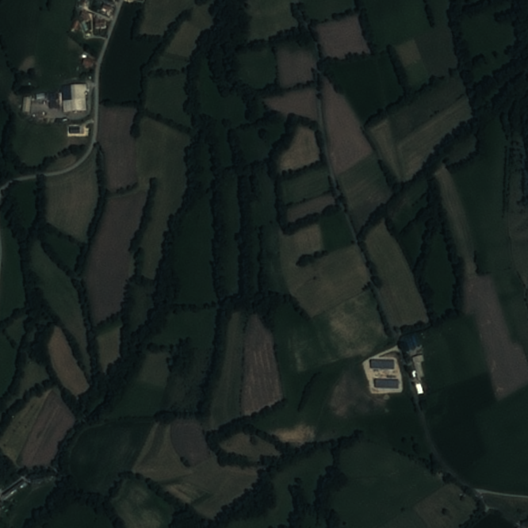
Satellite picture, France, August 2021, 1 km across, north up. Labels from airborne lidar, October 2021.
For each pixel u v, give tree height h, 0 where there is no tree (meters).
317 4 0
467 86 17
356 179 0
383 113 20
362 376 0
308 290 0
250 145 0
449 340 0
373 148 6
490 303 0
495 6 21
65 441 5
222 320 17
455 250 16
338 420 0
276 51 11
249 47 9
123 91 0
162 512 0
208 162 0
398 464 0
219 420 0
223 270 17
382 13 0
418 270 17
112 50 0
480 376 0
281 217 17
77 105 0
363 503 0
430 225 17
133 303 16
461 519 0
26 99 0
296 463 14
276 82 9
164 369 0
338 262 0
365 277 0
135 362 23
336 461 8
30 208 0
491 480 0
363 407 0
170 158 0
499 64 0
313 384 6
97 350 14
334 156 0
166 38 13
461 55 22
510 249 0
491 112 22
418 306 0
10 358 0
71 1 0
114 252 0
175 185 0
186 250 0
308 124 16
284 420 0
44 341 20
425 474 0
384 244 0
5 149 22
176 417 14
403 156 0
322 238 0
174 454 0
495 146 0
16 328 0
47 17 0
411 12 0
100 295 0
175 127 7
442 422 0
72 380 0
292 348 0
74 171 0
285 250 0
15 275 0
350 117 0
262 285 16
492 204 0
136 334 13
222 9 26
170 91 0
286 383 0
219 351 15
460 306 20
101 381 21
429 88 16
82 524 0
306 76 0
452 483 16
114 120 0
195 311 14
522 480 0
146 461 0
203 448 0
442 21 0
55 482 0
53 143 0
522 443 0
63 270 15
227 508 12
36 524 21
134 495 0
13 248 0
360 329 0
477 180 0
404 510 9
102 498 18
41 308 18
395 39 0
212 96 0
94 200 0
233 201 0
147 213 18
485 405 0
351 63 12
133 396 0
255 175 10
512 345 0
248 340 0
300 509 23
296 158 0
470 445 0
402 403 0
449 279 0
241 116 0
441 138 0
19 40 0
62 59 0
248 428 19
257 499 26
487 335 0
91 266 0
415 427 0
